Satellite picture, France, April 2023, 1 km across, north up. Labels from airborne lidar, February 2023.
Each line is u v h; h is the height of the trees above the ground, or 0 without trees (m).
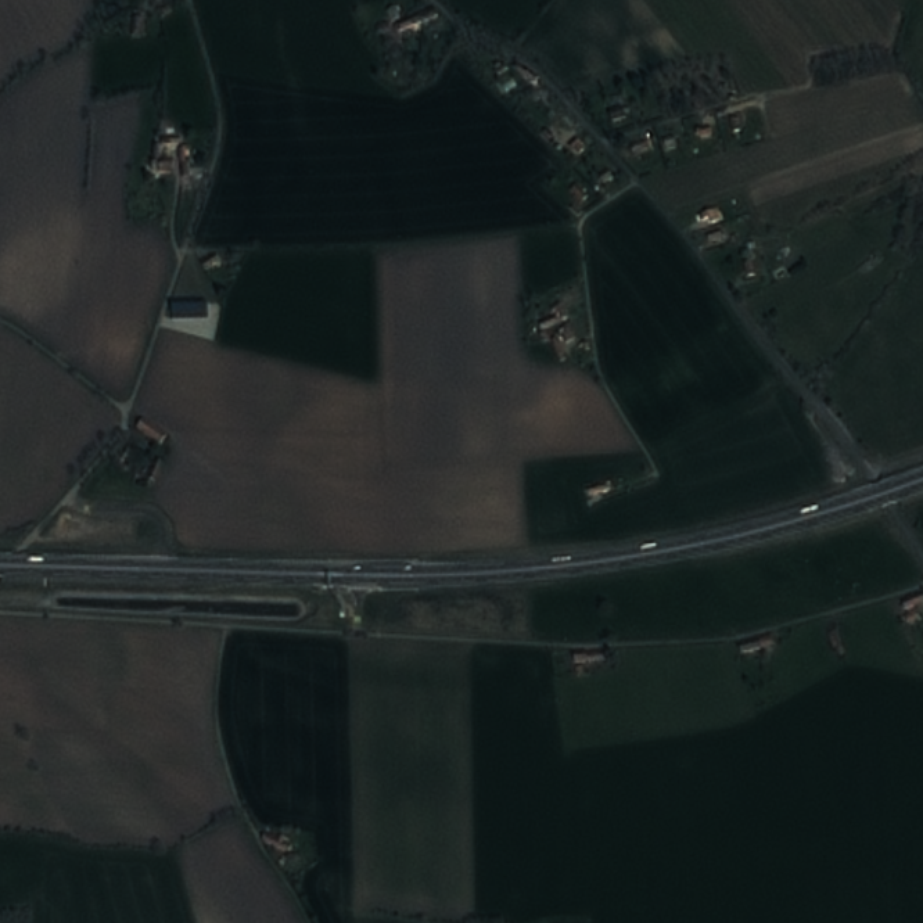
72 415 0
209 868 0
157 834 0
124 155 0
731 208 0
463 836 0
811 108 0
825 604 0
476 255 0
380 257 0
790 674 0
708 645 0
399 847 0
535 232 0
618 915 0
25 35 0
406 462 0
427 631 0
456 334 0
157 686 0
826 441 0
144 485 12
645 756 0
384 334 0
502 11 0
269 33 0
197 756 0
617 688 0
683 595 0
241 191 0
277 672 0
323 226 0
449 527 0
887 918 0
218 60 0
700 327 0
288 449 0
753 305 0
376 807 0
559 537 0
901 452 0
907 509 0
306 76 0
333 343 0
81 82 0
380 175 0
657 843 0
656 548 0
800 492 0
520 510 0
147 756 0
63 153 0
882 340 0
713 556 0
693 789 0
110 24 14
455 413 0
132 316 0
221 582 0
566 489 0
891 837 0
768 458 0
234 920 0
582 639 0
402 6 0
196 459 0
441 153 0
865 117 0
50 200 0
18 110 0
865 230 0
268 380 0
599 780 0
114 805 0
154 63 0
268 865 0
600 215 0
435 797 0
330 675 0
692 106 7
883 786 0
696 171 0
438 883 0
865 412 0
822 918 0
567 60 0
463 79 0
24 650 0
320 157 0
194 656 0
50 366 0
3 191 0
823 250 0
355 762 0
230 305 0
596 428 0
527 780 0
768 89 0
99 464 12
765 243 0
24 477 0
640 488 0
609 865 0
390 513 0
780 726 0
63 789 0
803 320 0
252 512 0
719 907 0
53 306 0
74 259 0
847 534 0
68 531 0
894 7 0
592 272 0
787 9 0
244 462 0
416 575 0
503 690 0
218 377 0
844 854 0
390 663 0
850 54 13
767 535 0
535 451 0
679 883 0
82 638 0
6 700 0
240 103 0
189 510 0
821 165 0
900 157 0
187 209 0
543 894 0
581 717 0
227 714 0
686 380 0
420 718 0
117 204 0
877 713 0
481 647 0
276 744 0
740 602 0
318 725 0
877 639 0
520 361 0
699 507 0
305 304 0
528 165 0
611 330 0
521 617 0
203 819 0
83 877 0
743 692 0
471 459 0
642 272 0
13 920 8
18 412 0
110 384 0
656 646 0
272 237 0
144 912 0
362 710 0
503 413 0
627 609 0
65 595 0
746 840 0
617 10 0
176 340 0
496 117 0
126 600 0
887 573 0
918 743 0
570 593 0
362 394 0
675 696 0
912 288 0
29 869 0
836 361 7
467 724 0
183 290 0
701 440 0
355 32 0
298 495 0
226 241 0
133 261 0
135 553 0
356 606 0
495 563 0
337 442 0
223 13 0
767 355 0
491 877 0
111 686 0
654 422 0
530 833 0
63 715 0
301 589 0
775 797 0
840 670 0
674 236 0
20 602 0
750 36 0
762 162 0
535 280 0
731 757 0
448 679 0
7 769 0
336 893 0
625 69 0
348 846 0
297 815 0
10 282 0
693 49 0
